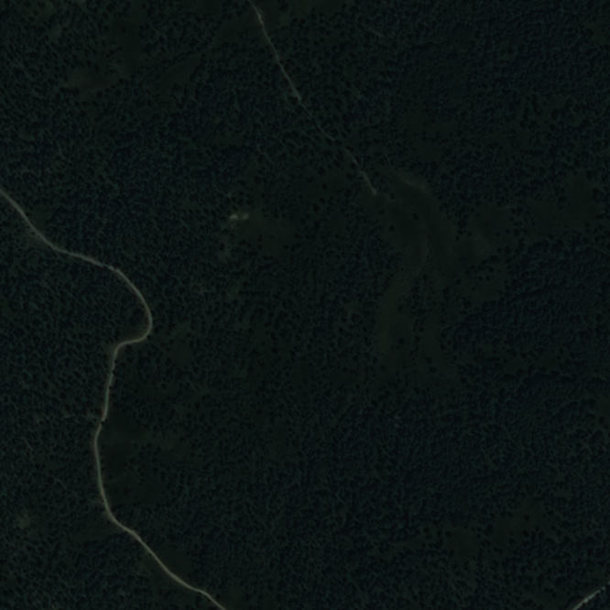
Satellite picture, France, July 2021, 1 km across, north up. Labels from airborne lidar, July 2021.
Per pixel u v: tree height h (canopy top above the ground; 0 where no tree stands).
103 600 13
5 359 15
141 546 22
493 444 23
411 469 17
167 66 8
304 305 6
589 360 20
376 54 8
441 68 16
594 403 19
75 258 6
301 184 15
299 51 8
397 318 0
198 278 12
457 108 18
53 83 23
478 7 14
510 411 18
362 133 12
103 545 11
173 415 12
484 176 18
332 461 8
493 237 0
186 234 14
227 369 22
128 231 13
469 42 19
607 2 6
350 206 17
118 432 0
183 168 20
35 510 11
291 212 11
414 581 16
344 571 22
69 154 24
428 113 10
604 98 17
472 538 0
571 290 21
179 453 0
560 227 0
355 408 7
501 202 12
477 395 9
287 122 17
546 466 20
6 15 23
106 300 13
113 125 12
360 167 10
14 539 14
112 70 10
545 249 26
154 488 0
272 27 0
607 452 13
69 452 11
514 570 12
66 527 12
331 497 22
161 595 7
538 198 6
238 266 23
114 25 0
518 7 18
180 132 22
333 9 0
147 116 11
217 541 24
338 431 9
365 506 17
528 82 14
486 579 16
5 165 19
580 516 17
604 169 14
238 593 0
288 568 13
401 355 0
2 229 12
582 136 13
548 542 20
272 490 16
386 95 23
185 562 0
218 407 12
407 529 8
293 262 9
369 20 19
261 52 13
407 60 8
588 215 0
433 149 0
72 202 25
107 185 6
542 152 20
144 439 0
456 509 17
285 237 0
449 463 23
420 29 16
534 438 17
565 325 23
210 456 8
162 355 15
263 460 14
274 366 10
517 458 20
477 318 11
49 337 10
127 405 12
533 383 27
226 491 20
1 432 20
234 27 0
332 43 0
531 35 14
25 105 20
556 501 18
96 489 10
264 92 24
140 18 0
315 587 21
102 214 21
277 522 10
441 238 0
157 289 24
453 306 9
